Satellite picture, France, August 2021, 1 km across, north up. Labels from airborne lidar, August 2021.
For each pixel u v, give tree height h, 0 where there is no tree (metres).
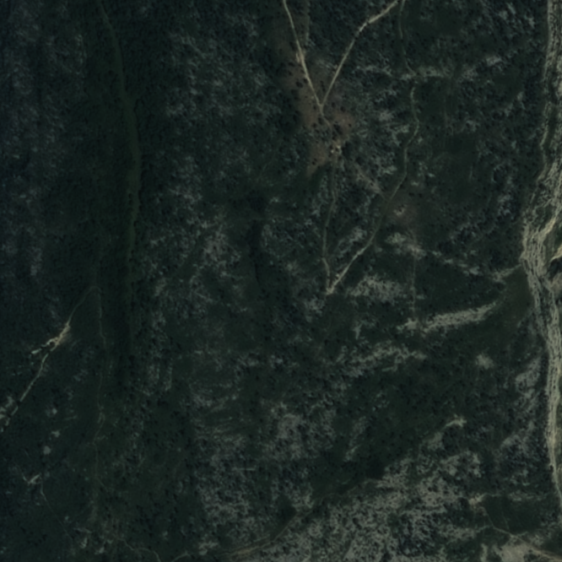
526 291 0
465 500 6
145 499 0
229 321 0
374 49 0
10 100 6
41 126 14
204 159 7
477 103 0
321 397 9
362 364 0
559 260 11
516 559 0
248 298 0
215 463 0
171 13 6
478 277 6
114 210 7
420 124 0
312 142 0
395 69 0
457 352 0
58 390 7
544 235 0
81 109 6
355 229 0
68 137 8
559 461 0
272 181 0
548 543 0
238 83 0
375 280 0
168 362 7
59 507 0
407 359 0
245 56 11
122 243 9
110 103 6
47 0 7
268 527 0
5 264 6
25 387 7
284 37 0
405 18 0
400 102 0
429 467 0
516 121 0
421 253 0
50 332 9
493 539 0
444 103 0
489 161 0
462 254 0
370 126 0
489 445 0
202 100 16
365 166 0
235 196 0
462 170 0
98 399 0
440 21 0
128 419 9
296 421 0
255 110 0
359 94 0
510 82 0
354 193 6
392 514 0
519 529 0
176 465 0
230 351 0
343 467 7
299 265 0
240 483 6
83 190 7
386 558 9
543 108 0
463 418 0
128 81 7
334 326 0
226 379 0
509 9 8
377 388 0
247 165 0
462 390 0
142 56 7
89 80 7
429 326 0
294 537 0
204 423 0
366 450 0
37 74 6
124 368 7
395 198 0
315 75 0
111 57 6
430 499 0
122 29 7
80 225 8
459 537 0
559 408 0
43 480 0
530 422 0
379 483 0
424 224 0
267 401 0
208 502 0
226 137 0
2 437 7
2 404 15
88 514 0
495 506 0
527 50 0
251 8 7
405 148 0
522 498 0
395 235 0
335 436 0
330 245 0
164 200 11
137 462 6
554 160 10
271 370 0
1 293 11
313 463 0
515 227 0
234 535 0
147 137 7
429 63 0
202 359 0
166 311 0
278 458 0
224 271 0
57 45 6
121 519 0
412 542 6
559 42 6
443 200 0
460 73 0
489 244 0
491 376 0
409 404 6
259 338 0
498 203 0
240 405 0
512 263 0
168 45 14
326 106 0
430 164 0
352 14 7
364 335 0
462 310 0
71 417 0
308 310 0
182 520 0
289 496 0
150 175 9
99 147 6
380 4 0
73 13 9
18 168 6
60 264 8
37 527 0
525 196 0
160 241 6
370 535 0
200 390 0
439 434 0
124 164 12
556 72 11
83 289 6
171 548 0
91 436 0
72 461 0
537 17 6
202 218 6
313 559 0
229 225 0
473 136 0
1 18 6
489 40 0
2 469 11
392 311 0
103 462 0
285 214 0
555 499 0
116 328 6
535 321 0
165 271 9
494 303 0
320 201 0
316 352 0
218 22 6
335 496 0
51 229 0
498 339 0
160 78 8
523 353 0
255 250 11
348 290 0
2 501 12
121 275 9
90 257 6
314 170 0
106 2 7
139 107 9
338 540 0
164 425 0
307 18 0
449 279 0
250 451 0
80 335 0
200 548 0
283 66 6
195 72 9
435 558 0
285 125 8
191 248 0
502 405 0
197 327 0
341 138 0
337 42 9
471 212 0
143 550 0
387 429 0
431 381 0
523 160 0
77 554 0
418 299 0
